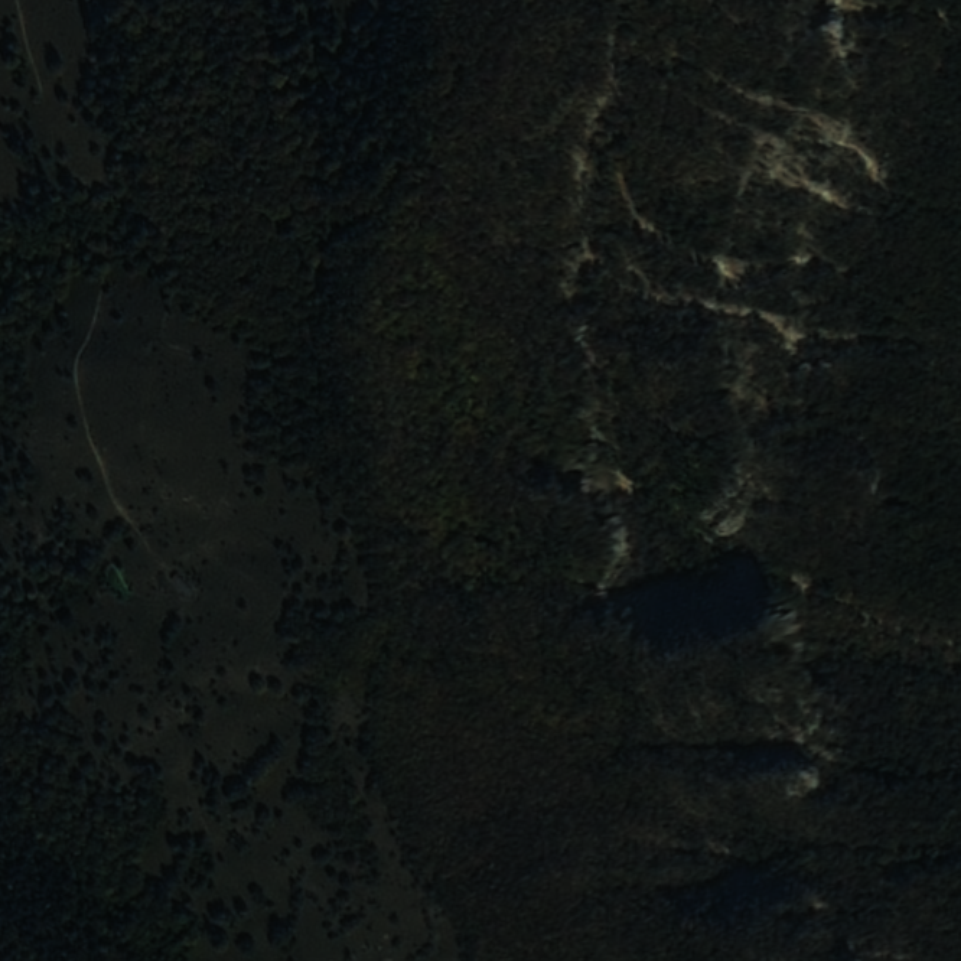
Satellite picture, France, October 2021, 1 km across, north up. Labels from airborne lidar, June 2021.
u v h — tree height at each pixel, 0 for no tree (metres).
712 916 11
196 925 15
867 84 8
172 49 14
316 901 8
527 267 14
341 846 11
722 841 11
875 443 22
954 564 27
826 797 12
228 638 0
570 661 23
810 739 9
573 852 12
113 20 19
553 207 20
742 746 13
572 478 14
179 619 9
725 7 19
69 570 15
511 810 18
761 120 6
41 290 27
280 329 17
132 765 11
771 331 11
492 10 18
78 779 13
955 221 23
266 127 15
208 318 10
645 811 13
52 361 0
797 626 17
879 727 22
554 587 19
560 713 24
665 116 17
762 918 12
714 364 7
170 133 19
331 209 19
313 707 7
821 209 11
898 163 22
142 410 0
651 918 18
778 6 12
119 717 0
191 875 7
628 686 13
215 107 17
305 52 20
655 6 25
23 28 0
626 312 13
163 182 18
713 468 14
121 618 0
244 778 11
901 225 19
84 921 19
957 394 23
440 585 19
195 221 17
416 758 10
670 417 22
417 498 23
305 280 18
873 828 18
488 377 23
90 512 8
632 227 10
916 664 17
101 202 15
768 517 13
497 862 15
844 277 12
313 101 22
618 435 16
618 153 30
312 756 14
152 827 11
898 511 29
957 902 24
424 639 25
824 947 14
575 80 12
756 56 22
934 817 19
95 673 8
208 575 0
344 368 21
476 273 15
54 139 0
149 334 0
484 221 17
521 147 14
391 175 14
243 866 0
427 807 10
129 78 17
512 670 20
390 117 19
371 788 11
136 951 9
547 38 12
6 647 23
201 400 0
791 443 17
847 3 0
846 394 19
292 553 9
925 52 21
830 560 20
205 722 11
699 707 9
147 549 0
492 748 19
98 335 0
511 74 17
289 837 0
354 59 9
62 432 0
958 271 21
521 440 23
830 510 20
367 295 17
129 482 0
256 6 15
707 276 21
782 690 12
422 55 23
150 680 0
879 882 22
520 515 22
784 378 15
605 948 14
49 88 0
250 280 18
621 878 16
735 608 15
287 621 10
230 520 0
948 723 20
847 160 6
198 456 0
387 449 13
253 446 8
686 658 10
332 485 17
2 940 23
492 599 18
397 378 14
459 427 26
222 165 16
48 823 14
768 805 11
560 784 20
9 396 15
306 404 14
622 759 23
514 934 19
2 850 26
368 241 17
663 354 10
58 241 23
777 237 17
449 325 19
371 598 9
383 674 14
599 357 24
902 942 14
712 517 10
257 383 12
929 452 24
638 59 20
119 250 11
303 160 16
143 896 16
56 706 8
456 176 21
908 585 27
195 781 9
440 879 8
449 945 0
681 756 16
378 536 11
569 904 17
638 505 17
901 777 19
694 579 19
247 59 17
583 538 16
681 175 19
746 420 10
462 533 27
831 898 9
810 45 12
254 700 0
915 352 18
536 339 21
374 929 6
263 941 0
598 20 16
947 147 21
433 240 16
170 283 16
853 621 13
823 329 13
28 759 9
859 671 23
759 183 8
